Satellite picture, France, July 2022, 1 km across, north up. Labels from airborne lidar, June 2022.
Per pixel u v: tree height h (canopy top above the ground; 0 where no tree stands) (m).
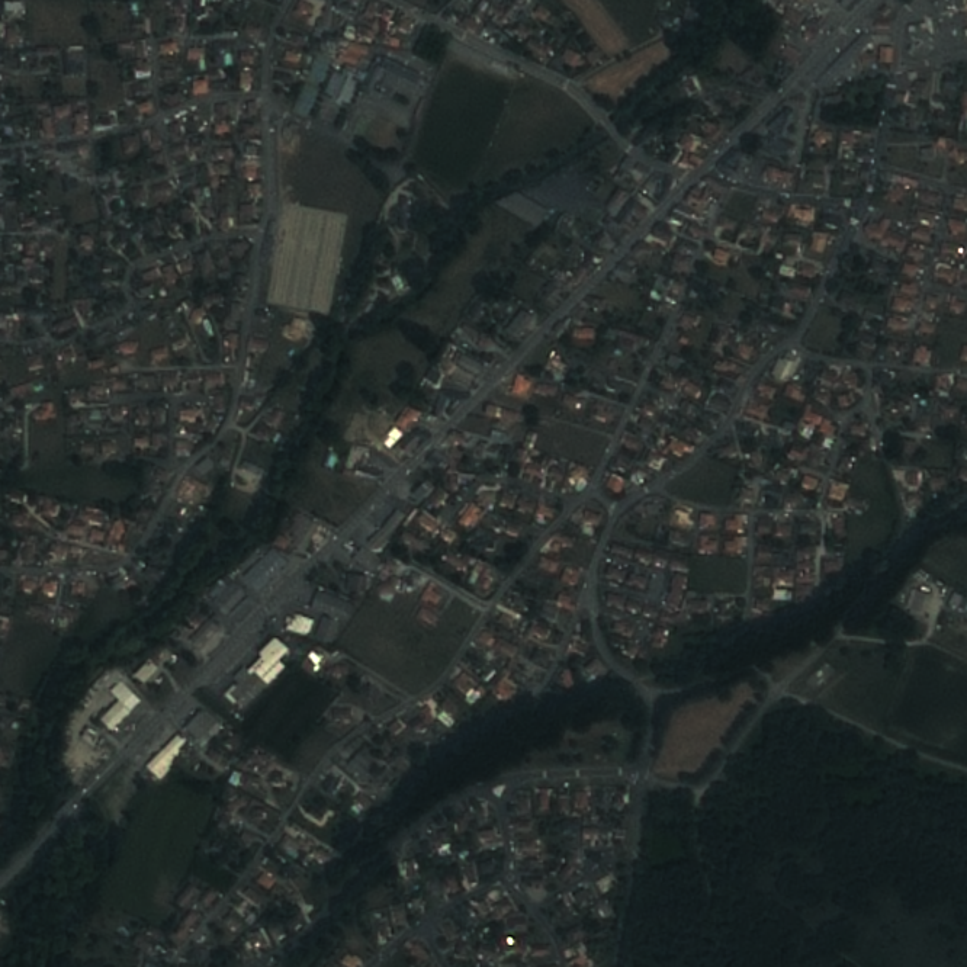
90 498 0
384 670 0
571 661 8
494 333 8
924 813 13
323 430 24
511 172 7
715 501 0
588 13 0
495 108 0
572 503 0
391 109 0
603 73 0
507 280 8
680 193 0
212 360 0
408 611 0
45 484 0
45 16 0
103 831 12
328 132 0
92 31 13
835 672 0
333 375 14
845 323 9
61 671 20
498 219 0
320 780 0
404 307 9
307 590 0
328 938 14
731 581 0
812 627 21
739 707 0
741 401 0
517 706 22
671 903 15
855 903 12
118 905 0
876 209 0
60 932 26
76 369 0
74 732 0
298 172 0
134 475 14
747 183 0
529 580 0
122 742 0
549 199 0
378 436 0
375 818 16
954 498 11
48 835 0
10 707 13
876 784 7
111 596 0
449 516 0
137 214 6
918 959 0
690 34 20
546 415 0
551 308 0
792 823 9
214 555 14
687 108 10
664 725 17
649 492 0
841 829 12
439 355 8
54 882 27
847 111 10
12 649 0
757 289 0
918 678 0
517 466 6
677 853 0
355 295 13
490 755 25
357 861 14
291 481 18
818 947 12
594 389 8
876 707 0
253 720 0
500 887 0
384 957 0
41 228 0
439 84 0
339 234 0
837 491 0
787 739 14
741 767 10
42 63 7
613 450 0
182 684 0
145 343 0
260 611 0
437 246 13
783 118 0
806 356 0
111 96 0
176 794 0
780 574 0
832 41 0
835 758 15
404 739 0
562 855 6
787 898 11
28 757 16
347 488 0
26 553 0
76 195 0
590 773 0
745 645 20
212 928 8
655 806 13
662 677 10
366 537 0
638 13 0
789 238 0
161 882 0
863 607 17
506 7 0
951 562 0
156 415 0
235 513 0
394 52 0
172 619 22
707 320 0
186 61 0
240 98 0
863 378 6
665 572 0
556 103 0
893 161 0
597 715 16
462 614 0
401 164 0
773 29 19
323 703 0
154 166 7
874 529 0
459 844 7
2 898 0
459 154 0
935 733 0
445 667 0
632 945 15
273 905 6
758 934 10
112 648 15
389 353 0
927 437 0
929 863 15
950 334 0
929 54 0
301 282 0
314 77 0
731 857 14
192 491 0
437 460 0
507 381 0
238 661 0
